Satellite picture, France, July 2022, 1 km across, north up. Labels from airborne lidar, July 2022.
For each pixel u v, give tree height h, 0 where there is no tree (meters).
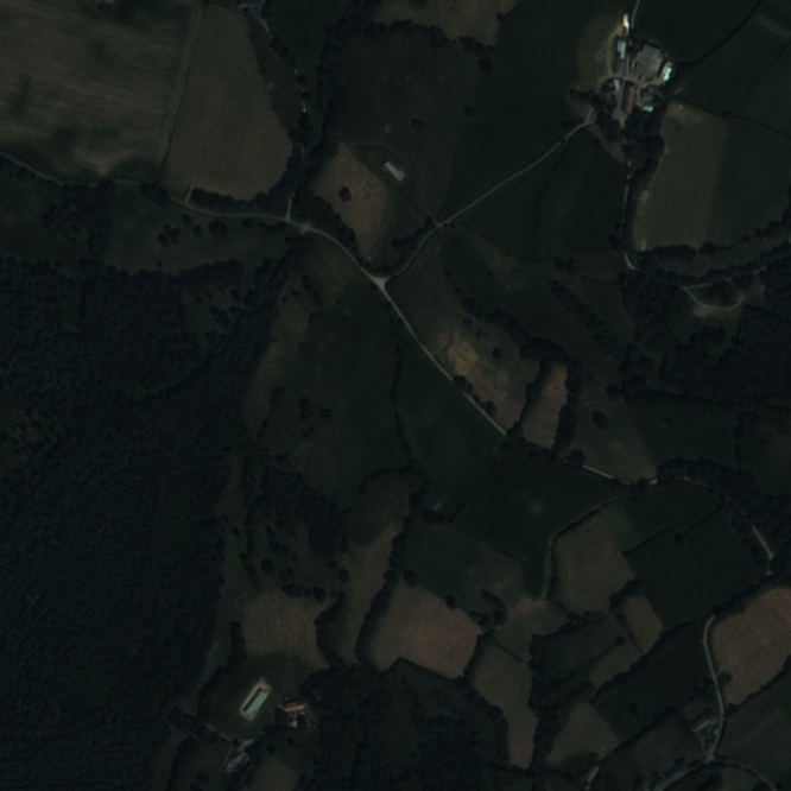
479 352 0
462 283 0
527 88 0
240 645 13
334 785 18
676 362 21
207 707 14
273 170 0
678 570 0
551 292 8
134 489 21
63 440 17
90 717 18
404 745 0
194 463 15
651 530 0
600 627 0
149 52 0
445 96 0
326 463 0
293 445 0
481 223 0
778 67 0
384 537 0
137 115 0
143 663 15
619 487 14
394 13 0
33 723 20
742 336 11
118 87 0
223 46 0
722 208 0
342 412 0
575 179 0
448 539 0
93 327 17
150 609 11
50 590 18
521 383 0
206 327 0
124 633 16
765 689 7
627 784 0
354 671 11
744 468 13
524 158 0
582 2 0
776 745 0
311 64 0
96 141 0
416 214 0
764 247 0
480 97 0
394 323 8
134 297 17
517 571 0
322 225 15
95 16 0
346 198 14
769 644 0
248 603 0
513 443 14
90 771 20
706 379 22
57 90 0
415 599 0
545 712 19
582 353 0
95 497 19
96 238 23
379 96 0
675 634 11
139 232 0
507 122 0
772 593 0
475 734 14
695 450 0
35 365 10
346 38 15
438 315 0
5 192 0
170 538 10
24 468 15
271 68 0
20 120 0
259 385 0
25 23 0
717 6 0
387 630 0
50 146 0
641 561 0
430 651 0
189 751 19
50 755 22
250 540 11
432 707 0
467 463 0
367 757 13
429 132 0
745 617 0
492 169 0
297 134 10
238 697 0
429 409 0
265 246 0
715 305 0
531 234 0
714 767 13
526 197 0
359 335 0
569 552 0
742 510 11
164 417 22
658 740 0
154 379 20
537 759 13
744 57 0
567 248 0
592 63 0
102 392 21
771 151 0
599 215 0
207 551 24
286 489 16
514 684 0
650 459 0
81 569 18
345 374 0
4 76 0
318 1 0
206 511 15
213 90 0
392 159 0
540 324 0
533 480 0
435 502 0
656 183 0
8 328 16
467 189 0
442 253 0
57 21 0
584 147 0
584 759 0
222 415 21
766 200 0
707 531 0
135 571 18
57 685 19
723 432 0
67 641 17
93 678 15
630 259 7
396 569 13
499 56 0
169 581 10
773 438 0
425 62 0
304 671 0
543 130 0
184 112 0
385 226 0
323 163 13
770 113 0
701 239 0
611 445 0
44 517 21
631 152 15
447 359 0
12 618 23
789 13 0
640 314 21
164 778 0
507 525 0
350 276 0
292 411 0
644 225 0
